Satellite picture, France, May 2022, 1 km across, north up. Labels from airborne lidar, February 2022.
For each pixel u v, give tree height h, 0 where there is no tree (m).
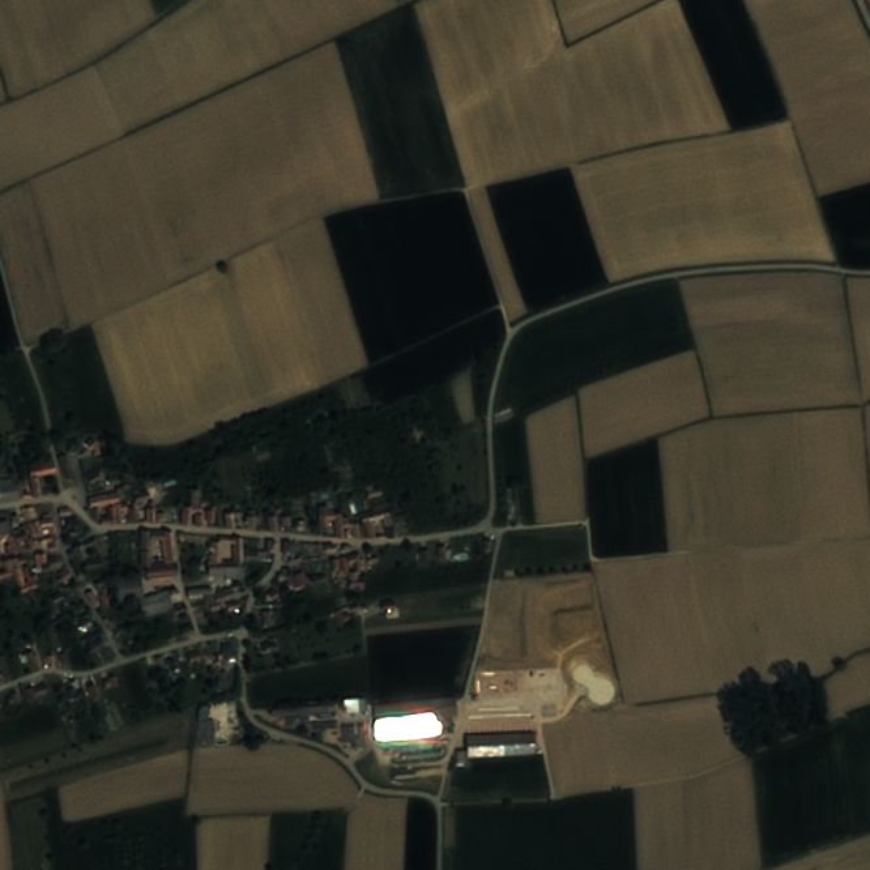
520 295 0
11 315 0
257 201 0
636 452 0
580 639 0
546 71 0
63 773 0
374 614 0
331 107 0
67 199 0
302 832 0
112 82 0
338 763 0
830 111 0
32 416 0
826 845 0
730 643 0
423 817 0
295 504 0
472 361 0
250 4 0
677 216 0
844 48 0
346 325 0
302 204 0
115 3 0
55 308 0
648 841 0
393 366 0
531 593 0
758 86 0
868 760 0
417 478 0
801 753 0
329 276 0
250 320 0
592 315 0
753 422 0
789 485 0
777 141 0
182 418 0
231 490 0
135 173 0
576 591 0
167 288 0
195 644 0
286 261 0
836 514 0
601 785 0
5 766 0
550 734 0
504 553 0
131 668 0
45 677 0
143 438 0
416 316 0
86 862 0
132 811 0
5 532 0
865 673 0
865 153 0
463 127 0
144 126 0
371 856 0
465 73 0
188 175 0
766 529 0
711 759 0
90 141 0
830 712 0
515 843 0
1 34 0
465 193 0
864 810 0
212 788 0
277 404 0
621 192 0
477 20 0
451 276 0
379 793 0
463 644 0
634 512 0
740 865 0
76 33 0
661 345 0
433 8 0
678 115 0
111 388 0
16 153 0
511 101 0
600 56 0
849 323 0
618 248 0
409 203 0
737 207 0
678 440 0
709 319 0
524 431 0
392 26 0
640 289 0
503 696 0
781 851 0
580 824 0
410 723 0
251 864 0
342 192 0
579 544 0
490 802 0
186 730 0
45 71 0
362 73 0
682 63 0
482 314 0
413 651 0
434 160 0
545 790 0
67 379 0
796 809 0
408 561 0
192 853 0
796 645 0
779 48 0
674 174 0
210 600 0
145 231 0
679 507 0
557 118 0
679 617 0
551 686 0
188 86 0
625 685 0
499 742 0
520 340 0
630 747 0
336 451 0
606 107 0
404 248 0
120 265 0
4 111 0
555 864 0
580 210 0
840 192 0
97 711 6
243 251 0
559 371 0
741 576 0
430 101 0
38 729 0
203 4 0
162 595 0
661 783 0
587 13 0
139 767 0
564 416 0
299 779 0
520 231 0
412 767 0
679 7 0
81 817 0
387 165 0
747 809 0
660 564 0
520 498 0
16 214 0
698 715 0
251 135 0
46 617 9
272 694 0
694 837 0
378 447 0
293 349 0
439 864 0
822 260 0
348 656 0
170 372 0
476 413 0
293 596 8
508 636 0
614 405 0
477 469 0
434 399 0
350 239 0
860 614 0
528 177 0
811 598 0
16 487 0
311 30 0
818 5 0
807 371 0
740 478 0
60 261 0
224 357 0
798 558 0
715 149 0
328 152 0
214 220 0
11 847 0
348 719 0
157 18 0
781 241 0
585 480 0
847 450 0
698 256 0
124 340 0
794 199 0
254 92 0
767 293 0
